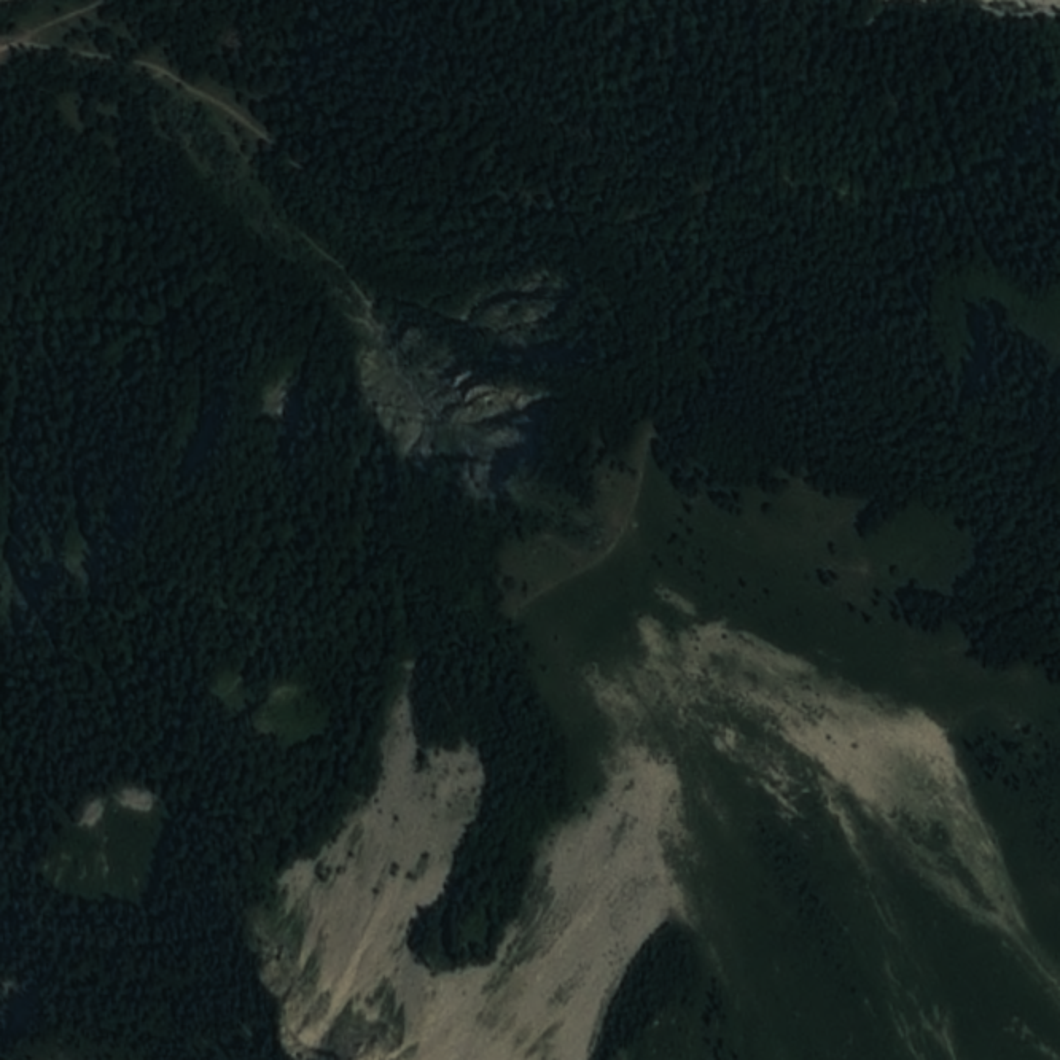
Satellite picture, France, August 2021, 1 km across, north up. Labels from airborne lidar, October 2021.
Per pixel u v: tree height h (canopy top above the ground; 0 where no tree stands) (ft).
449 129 49
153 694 76
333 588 75
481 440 0
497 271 69
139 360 73
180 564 55
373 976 0
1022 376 83
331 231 47
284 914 0
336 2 55
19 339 36
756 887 0
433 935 66
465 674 62
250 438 52
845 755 0
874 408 73
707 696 0
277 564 66
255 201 21
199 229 63
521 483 0
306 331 61
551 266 64
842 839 0
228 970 28
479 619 64
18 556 55
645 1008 31
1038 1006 0
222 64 66
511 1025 0
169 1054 26
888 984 0
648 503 0
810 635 0
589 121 38
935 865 0
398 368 0
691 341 77
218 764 39
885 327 54
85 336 62
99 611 69
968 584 50
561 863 0
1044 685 0
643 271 66
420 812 0
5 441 36
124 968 54
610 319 42
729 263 66
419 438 0
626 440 37
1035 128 25
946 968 0
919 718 0
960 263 23
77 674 55
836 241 44
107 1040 35
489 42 51
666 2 53
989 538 50
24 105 72
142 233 86
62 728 66
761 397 89
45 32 0
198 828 31
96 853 0
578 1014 0
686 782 0
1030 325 0
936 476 70
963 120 65
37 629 30
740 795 0
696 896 0
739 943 0
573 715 0
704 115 59
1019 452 40
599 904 0
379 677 42
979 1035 0
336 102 82
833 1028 0
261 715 86
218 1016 29
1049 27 64
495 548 30
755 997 0
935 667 0
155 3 68
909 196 50
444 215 53
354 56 80
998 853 0
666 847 0
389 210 60
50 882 40
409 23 73
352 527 63
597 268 59
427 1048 0
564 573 0
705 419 78
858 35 54
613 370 66
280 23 33
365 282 23
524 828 82
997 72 77
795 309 34
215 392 45
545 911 0
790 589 0
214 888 48
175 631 60
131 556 45
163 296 68
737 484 41
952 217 50
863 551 0
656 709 0
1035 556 37
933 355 70
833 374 49
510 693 43
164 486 36
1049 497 59
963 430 73
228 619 72
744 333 72
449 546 62
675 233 25
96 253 78
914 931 0
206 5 49
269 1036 29
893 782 0
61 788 62
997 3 18
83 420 52
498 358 30
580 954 0
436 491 56
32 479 61
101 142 24
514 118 46
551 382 31
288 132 36
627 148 66
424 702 29
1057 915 0
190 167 52
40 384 27
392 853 0
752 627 0
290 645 42
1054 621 52
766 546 0
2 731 88
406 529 67
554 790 57
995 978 0
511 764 77
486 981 0
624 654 0
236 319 63
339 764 42
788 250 75
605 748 0
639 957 21
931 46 40
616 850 0
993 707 0
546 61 46
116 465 74
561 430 39
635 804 0
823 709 0
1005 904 0
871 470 79
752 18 57
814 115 60
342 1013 0
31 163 50
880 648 0
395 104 62
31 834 78
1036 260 50
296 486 44
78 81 29
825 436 60
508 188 83
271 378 58
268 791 40
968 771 0
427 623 52
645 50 53
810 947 0
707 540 0
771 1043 0
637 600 0
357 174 76
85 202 64
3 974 36
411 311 31
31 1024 46
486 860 73
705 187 35
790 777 0
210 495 35
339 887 0
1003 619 58
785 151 40
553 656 0
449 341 39
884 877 0
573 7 34
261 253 50
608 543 0
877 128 28
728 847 0
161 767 67
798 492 0
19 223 54
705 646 0
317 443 47
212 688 44
